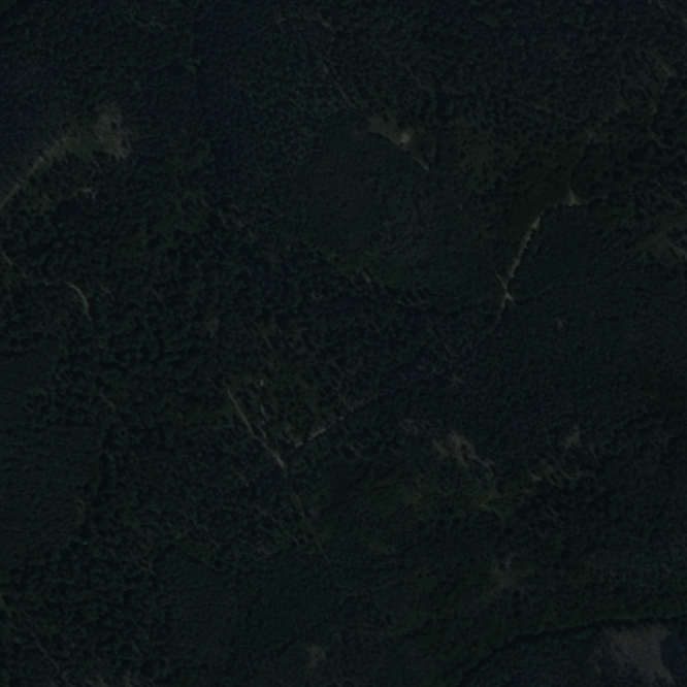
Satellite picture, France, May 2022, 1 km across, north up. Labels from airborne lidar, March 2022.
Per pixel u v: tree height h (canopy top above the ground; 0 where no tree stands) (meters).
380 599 7
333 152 19
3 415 20
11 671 34
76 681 29
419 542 7
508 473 12
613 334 16
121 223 30
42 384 25
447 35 35
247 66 24
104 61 26
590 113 27
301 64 24
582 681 20
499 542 14
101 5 26
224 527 28
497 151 14
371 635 24
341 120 11
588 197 15
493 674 18
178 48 35
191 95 32
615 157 10
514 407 24
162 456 36
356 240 12
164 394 35
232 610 26
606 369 13
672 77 0
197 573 22
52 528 21
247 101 25
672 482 23
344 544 8
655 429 18
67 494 22
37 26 31
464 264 14
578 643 20
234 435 34
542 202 11
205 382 30
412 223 24
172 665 6
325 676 14
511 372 25
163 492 31
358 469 11
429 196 26
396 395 18
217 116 29
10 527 21
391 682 13
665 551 26
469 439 19
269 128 24
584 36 36
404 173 25
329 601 10
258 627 12
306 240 8
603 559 24
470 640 27
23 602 27
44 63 29
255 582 11
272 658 19
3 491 23
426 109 25
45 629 30
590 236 13
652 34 37
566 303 18
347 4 26
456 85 26
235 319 25
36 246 20
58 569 36
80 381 33
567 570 22
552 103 28
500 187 15
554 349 17
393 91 23
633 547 23
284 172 26
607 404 21
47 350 18
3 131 26
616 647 0
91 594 35
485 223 8
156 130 33
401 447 6
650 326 21
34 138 19
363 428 6
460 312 18
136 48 40
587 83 33
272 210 23
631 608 19
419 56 22
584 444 20
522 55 30
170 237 11
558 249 12
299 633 11
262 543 32
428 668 20
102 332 39
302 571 12
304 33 19
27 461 23
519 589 17
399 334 23
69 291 23
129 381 34
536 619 15
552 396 25
